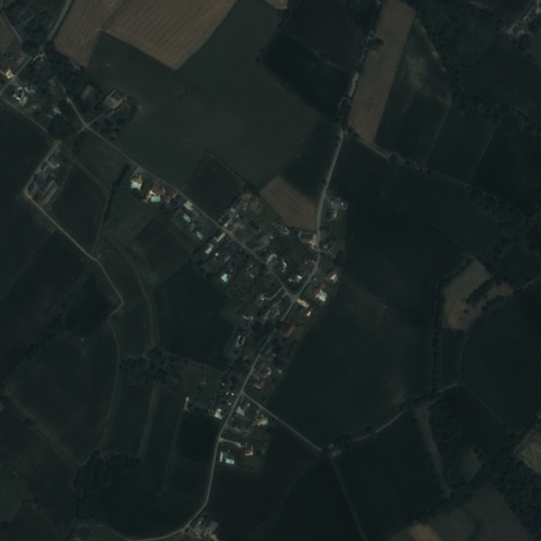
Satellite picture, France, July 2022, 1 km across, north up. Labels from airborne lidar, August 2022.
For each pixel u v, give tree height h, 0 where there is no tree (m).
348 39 0
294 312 0
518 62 0
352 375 0
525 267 0
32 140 0
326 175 0
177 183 0
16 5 6
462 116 0
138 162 0
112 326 0
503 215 22
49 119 0
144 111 0
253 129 0
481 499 0
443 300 15
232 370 16
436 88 0
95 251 0
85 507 18
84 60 0
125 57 0
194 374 0
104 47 0
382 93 0
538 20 18
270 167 0
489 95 0
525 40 17
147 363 22
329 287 0
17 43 0
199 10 0
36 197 6
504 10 0
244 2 0
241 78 0
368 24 10
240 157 0
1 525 19
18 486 0
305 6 0
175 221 0
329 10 0
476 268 0
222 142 0
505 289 0
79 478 15
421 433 9
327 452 21
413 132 0
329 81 0
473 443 14
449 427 17
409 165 11
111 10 0
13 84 0
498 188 0
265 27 0
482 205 17
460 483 20
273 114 0
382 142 0
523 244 11
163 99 0
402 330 0
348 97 8
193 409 12
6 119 0
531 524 18
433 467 14
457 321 0
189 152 0
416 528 0
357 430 0
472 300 9
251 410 0
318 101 0
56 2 0
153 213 0
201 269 6
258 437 0
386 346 0
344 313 0
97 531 0
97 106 6
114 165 0
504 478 23
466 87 0
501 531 0
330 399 0
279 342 10
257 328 17
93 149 0
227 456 0
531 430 7
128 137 0
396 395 0
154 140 0
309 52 0
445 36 10
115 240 0
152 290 0
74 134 14
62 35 0
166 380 27
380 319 0
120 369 7
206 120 0
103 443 0
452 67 12
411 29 0
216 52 0
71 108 22
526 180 0
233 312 0
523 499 21
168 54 0
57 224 0
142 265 0
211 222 0
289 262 0
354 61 0
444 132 0
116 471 13
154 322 0
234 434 0
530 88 0
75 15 0
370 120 0
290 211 0
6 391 0
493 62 0
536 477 21
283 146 0
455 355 0
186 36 0
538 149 0
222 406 14
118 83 0
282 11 12
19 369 0
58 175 0
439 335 16
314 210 0
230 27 0
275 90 0
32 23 16
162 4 0
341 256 11
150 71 0
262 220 0
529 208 0
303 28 0
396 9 0
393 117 0
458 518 0
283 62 0
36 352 19
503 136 0
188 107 0
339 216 0
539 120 0
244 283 0
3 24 0
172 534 0
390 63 0
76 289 0
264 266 14
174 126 0
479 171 0
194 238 0
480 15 13
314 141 0
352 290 0
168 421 0
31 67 9
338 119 9
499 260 11
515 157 0
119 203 0
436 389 11
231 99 0
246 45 0
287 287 7
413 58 0
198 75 0
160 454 0
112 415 0
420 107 0
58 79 22
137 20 0
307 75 0
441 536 0
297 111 0
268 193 0
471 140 0
